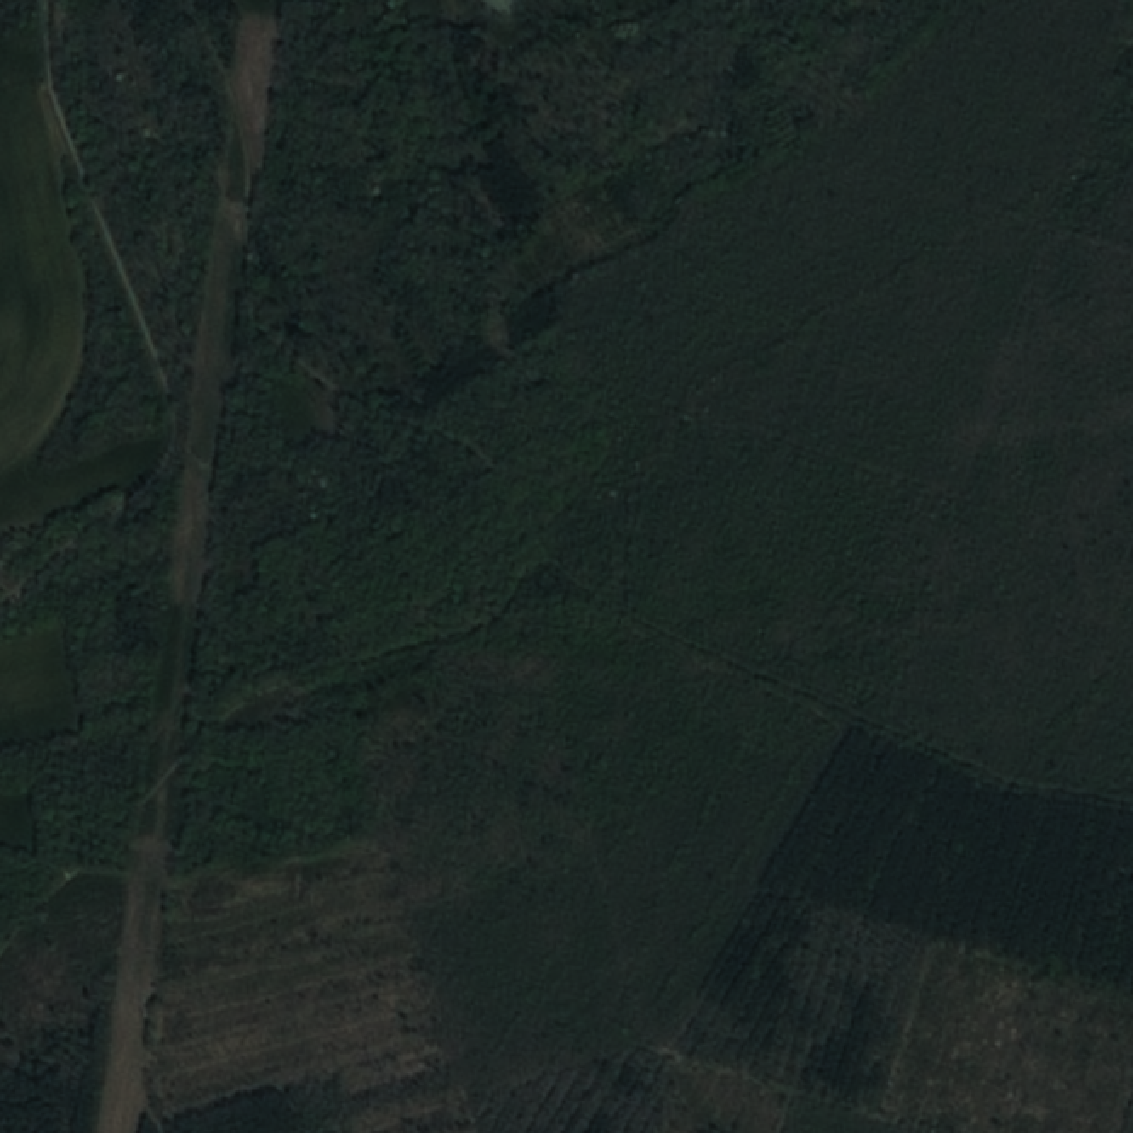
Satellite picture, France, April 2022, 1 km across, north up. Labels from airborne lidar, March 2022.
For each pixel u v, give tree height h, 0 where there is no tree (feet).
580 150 70
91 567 74
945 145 44
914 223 42
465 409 45
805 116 49
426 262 51
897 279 45
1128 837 56
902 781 52
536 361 40
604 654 21
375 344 53
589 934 32
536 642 43
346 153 38
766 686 32
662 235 22
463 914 40
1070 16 43
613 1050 35
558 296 43
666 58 60
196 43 81
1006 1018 0
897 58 65
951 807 60
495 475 46
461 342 57
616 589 44
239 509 65
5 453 0
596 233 0
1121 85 60
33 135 0
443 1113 0
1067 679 39
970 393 39
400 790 60
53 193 0
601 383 31
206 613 56
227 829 64
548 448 55
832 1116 37
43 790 50
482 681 58
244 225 0
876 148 48
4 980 0
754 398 44
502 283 76
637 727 23
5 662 0
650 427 38
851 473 29
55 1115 56
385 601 52
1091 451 40
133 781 63
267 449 56
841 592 25
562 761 46
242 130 0
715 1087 0
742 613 30
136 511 72
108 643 81
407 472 53
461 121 54
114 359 72
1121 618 38
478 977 41
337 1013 0
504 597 62
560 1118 33
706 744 23
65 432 52
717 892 39
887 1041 41
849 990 43
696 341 41
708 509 36
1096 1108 0
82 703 53
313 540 63
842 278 42
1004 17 47
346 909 0
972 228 48
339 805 63
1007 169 47
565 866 43
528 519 60
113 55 55
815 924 45
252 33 0
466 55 50
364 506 44
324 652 55
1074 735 41
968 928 57
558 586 20
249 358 69
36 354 0
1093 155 43
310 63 54
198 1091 0
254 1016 0
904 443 31
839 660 35
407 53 71
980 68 46
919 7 74
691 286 39
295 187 49
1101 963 49
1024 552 40
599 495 40
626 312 35
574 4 66
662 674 40
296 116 37
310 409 0
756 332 44
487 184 46
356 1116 49
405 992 0
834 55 73
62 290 0
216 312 0
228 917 0
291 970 0
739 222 44
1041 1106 0
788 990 34
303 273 68
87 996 0
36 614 48
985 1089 0
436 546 47
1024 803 57
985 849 60
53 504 0
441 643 40
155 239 72
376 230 38
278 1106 53
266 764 61
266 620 51
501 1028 41
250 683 50
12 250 0
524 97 64
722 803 40
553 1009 40
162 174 45
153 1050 29
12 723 0
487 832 52
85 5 0
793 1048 37
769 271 46
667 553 29
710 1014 31
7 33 52
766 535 24
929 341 45
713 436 37
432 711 76
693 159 55
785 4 61
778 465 40
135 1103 0
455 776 55
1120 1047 51
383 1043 0
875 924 42
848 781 57
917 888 53
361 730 64
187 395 63
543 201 41
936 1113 0
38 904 39
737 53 40
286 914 0
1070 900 55
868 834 54
